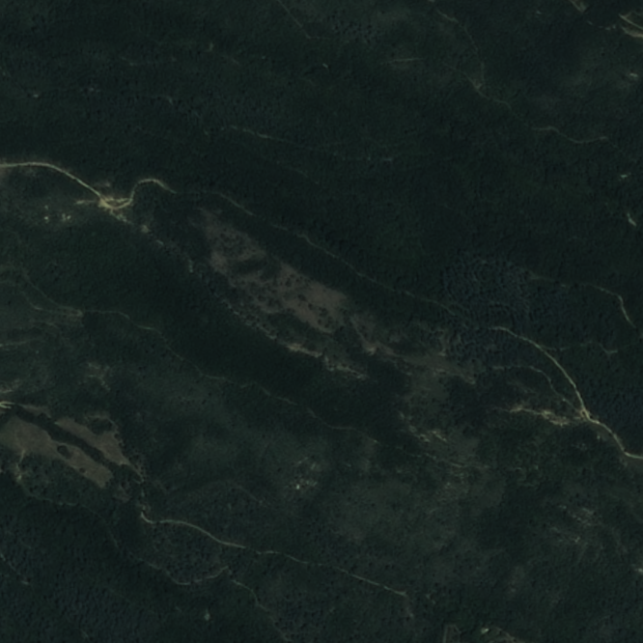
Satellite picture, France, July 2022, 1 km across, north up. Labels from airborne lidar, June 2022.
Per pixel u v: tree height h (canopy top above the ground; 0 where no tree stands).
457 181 7
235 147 7
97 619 14
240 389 6
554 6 8
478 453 8
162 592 14
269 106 9
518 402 8
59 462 6
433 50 11
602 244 8
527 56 8
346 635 6
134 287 9
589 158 8
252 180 10
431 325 6
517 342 7
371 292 6
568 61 6
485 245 15
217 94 8
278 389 7
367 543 7
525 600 7
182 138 9
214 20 7
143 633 7
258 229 8
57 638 8
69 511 14
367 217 7
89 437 0
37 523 6
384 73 10
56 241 8
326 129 7
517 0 9
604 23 9
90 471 0
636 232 13
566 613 10
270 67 6
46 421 6
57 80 9
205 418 7
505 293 18
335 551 9
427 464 7
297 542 6
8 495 9
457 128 13
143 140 6
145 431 7
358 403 9
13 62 6
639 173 7
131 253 8
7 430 0
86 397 6
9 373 7
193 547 13
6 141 6
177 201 6
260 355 11
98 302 8
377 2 8
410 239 7
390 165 14
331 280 6
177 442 6
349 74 9
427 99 10
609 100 6
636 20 0
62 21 6
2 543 15
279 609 6
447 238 8
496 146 9
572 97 7
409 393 8
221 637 8
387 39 6
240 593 9
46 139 8
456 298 17
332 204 13
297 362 7
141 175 5
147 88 6
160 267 15
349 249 13
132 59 6
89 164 10
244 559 7
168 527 13
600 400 9
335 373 10
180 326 8
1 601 9
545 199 6
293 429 7
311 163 8
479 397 6
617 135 8
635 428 8
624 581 9
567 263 11
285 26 7
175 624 6
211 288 16
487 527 6
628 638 7
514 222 8
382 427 6
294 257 10
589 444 10
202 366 6
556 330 7
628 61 7
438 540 11
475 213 9
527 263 11
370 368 7
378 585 5
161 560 6
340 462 8
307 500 7
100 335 10
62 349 6
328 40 6
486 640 9
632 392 12
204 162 9
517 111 10
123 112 11
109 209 0
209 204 10
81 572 8
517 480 8
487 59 9
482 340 18
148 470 11
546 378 8
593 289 8
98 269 8
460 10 8
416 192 10
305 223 14
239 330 6
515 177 7
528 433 6
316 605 6
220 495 6
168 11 10
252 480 6
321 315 6
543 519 6
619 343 9
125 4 7
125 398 9
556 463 6
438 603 8
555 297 16
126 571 16
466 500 7
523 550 8
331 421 7
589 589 8
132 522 6
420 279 12
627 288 12
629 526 7
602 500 6
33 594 7
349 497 6
